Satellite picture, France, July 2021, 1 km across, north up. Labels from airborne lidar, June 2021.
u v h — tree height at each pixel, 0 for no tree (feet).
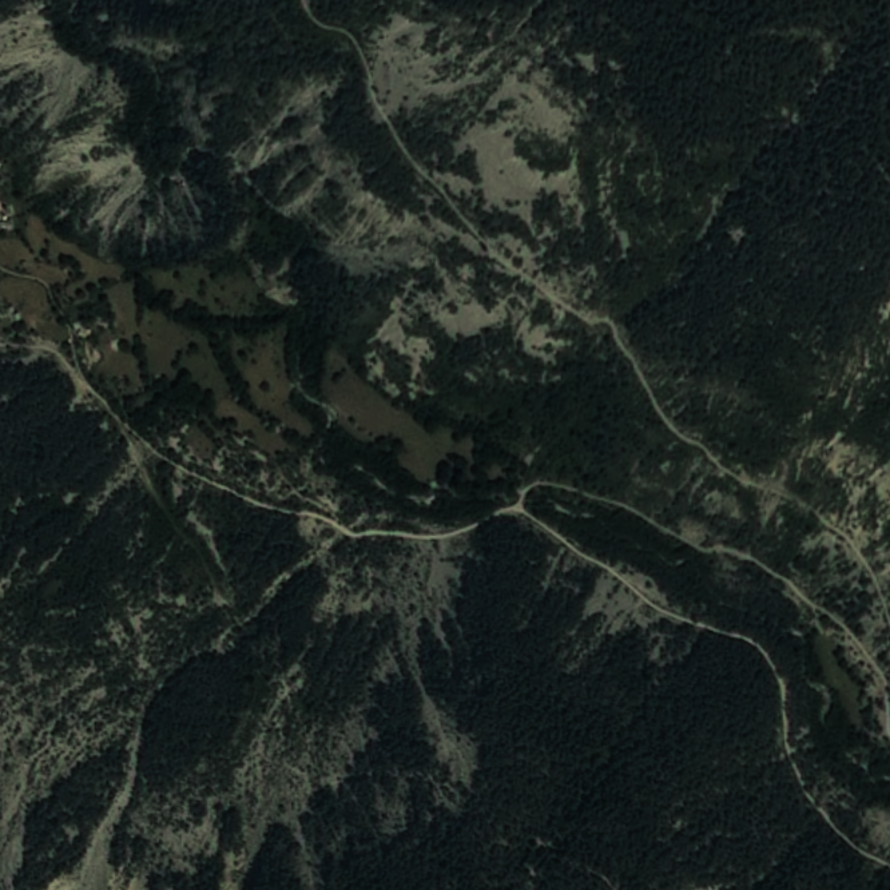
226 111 28
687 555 32
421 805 50
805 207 34
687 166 25
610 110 31
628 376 29
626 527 25
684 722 51
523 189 0
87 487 45
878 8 32
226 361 44
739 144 28
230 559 22
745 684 60
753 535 24
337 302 27
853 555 0
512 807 34
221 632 19
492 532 40
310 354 58
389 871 55
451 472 62
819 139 33
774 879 48
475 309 0
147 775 26
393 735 44
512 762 35
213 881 38
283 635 40
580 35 20
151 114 18
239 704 46
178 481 22
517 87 0
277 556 33
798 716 41
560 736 64
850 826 54
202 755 33
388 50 0
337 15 22
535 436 29
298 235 25
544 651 51
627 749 22
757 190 29
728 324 26
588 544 26
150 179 31
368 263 0
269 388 27
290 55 38
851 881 57
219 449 24
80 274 25
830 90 34
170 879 28
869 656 0
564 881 36
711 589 24
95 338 20
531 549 31
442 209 29
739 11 41
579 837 51
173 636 19
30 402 32
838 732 31
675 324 18
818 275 39
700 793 31
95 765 33
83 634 23
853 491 0
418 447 0
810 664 34
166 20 28
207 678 35
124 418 29
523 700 54
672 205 31
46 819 34
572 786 58
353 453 26
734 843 49
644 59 55
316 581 24
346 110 36
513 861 38
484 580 34
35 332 24
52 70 0
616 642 26
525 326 0
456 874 75
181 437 17
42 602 32
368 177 25
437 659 49
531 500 25
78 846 42
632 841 30
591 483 35
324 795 27
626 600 0
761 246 33
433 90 0
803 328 23
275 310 19
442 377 18
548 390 49
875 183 38
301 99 0
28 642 19
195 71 26
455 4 41
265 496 23
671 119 43
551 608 24
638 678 42
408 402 25
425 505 23
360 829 23
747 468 20
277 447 0
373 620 22
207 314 28
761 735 43
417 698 38
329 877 43
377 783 25
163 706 34
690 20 17
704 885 31
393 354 22
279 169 29
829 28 27
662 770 25
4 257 0
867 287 35
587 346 31
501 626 45
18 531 39
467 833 44
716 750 34
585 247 26
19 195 31
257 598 27
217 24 23
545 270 18
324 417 35
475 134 0
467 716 30
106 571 19
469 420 28
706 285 32
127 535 29
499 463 21
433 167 21
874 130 31
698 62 47
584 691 48
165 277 0
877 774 35
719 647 58
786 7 40
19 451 34
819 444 0
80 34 47
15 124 19
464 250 21
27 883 22
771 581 29
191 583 19
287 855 29
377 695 30
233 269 20
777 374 24
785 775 39
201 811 25
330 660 37
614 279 20
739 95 32
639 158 22
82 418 34
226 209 43
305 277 55
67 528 33
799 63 21
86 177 0
